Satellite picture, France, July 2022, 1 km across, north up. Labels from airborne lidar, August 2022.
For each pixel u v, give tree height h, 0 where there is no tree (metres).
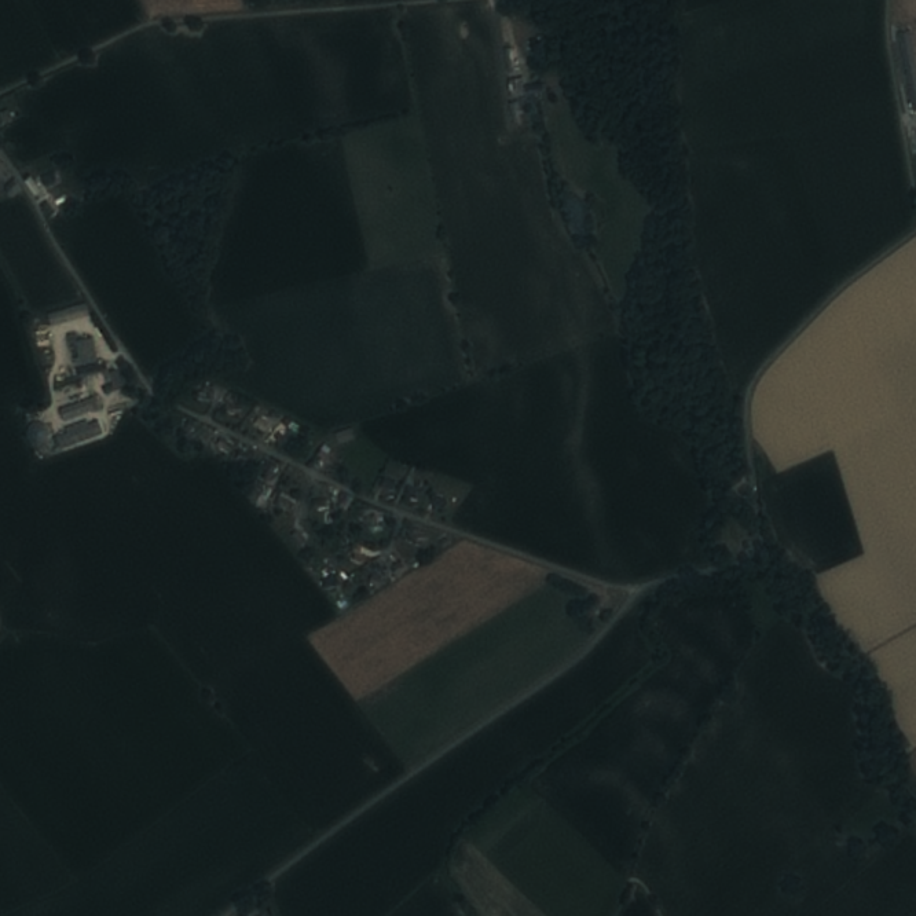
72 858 0
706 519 15
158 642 0
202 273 26
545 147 11
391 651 0
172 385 23
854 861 15
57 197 0
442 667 0
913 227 0
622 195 0
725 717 0
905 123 0
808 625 8
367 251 0
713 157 0
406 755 0
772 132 0
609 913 0
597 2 26
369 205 0
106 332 7
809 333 0
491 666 0
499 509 0
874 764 25
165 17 0
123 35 0
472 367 7
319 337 0
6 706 0
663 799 12
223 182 20
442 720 0
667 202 22
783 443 0
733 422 24
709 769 0
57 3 0
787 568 24
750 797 0
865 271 0
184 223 26
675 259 28
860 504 0
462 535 0
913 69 0
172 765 0
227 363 23
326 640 0
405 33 11
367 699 0
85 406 0
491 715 0
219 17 0
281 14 0
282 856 0
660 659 14
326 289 0
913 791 7
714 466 18
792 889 22
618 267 0
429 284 0
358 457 0
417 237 0
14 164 0
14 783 0
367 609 0
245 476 19
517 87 0
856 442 0
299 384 0
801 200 0
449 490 0
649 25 25
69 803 0
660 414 17
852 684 19
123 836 0
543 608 0
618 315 8
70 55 0
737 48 0
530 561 0
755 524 19
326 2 0
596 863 0
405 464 6
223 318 0
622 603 0
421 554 12
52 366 0
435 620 0
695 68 0
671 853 0
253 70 0
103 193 18
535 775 9
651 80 19
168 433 20
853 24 0
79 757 0
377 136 0
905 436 0
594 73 16
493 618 0
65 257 0
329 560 0
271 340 0
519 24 0
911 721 0
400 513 0
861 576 0
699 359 25
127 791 0
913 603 0
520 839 0
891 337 0
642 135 19
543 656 0
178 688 0
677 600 7
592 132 19
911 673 0
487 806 11
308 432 11
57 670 0
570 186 5
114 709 0
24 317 12
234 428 7
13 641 0
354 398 0
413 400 12
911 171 0
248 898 15
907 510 0
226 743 0
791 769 0
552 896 0
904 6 0
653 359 11
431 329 0
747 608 14
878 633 0
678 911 0
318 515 0
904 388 0
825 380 0
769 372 0
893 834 20
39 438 0
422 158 0
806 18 0
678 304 23
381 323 0
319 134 11
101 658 0
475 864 0
